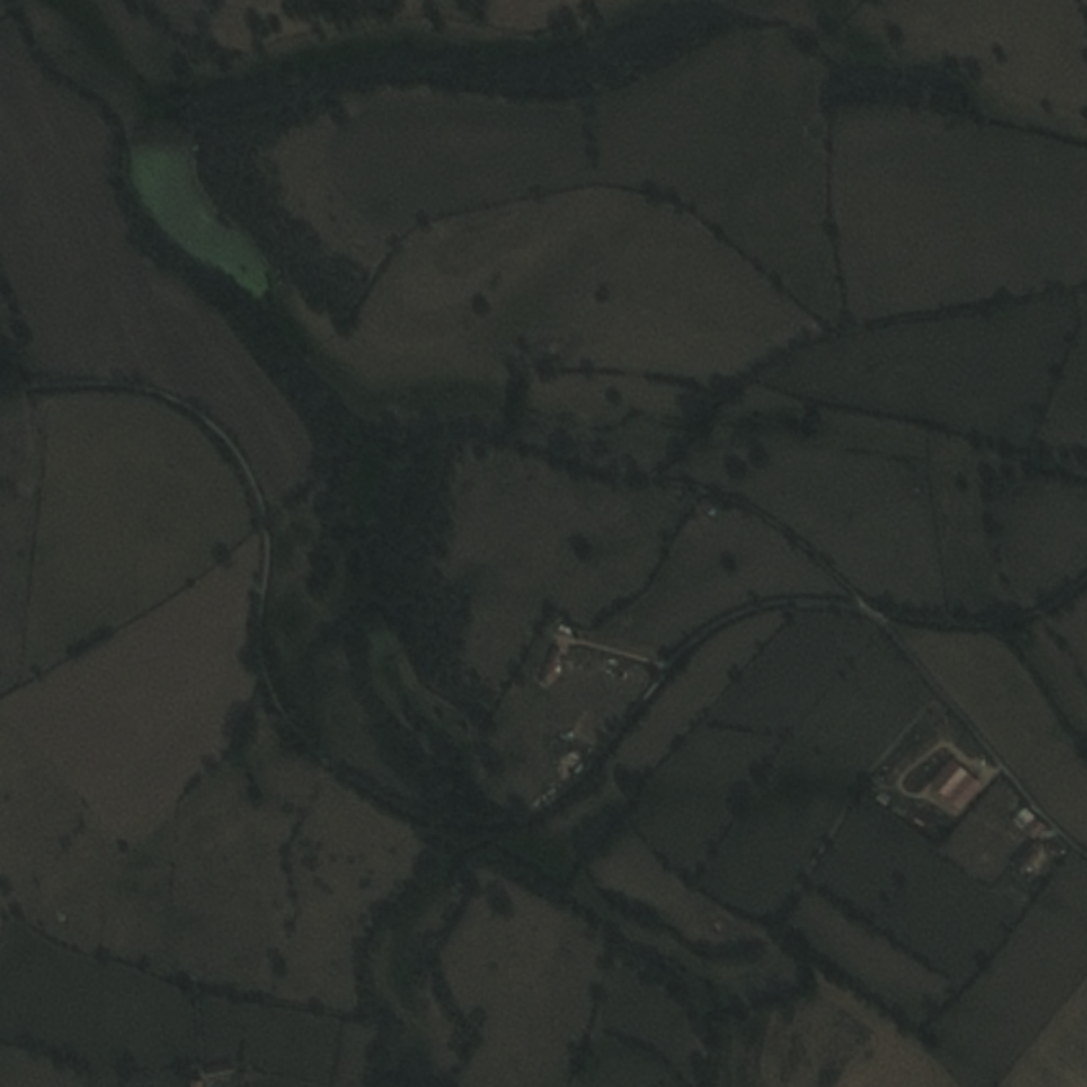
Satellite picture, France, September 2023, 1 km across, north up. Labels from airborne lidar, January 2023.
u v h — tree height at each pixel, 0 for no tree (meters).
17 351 13
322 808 0
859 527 0
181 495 0
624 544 0
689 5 0
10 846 0
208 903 0
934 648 0
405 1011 0
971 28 0
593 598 0
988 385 0
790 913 10
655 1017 0
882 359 0
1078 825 0
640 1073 0
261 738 0
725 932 0
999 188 0
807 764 0
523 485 0
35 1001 0
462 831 21
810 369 0
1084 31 0
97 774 0
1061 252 0
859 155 0
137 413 0
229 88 0
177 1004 0
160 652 0
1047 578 0
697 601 0
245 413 0
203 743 0
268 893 0
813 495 0
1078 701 0
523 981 0
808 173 0
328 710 0
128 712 0
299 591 0
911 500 0
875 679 0
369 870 0
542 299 0
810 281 0
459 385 0
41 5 0
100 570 0
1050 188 0
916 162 0
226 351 0
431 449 17
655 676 12
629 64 18
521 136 0
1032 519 0
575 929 0
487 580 0
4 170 0
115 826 0
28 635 0
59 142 0
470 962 0
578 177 0
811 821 0
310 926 0
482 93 15
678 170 0
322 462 13
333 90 15
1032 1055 0
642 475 16
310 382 29
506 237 0
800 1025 0
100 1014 0
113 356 0
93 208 0
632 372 0
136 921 0
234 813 0
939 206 0
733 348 0
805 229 0
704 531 0
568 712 0
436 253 0
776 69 0
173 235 0
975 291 0
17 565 0
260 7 0
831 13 0
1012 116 0
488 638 0
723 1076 0
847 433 0
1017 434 0
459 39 0
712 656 0
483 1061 0
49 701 0
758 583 0
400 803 10
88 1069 11
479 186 0
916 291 0
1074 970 0
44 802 0
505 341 0
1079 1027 0
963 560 0
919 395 0
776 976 0
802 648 0
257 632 6
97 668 0
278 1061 0
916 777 0
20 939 0
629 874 0
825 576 0
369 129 0
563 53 0
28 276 0
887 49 0
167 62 0
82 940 0
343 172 0
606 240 0
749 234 0
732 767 0
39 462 0
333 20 11
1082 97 0
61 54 0
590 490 0
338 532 20
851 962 0
